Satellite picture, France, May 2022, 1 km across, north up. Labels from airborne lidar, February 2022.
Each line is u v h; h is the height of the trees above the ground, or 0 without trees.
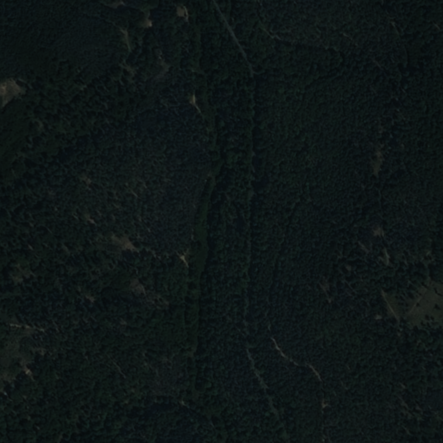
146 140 30
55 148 13
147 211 35
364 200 16
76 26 19
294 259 27
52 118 43
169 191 29
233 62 33
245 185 33
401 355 25
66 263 27
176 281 26
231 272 33
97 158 33
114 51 14
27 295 8
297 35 27
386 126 13
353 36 31
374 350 26
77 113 13
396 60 30
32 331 0
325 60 34
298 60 34
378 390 27
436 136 25
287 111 29
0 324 15
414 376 28
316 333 28
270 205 26
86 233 30
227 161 35
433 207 23
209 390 27
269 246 29
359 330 30
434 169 26
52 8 14
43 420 37
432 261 26
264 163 32
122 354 24
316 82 33
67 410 36
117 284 7
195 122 37
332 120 27
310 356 27
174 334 22
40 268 20
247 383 30
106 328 30
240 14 31
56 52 15
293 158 33
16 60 19
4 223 13
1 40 17
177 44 13
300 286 27
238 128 37
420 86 33
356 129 34
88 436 35
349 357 31
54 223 32
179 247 25
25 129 14
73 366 28
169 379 28
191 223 23
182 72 18
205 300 15
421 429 33
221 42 30
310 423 29
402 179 23
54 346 27
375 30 28
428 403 22
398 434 22
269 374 25
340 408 25
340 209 32
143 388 26
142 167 31
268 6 32
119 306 29
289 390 30
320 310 27
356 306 8
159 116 16
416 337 32
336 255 29
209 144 24
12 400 34
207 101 0
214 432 24
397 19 25
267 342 23
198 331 14
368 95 28
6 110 10
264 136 30
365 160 30
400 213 22
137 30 21
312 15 30
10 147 11
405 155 29
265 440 25
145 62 24
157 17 28
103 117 35
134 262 35
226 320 23
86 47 17
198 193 21
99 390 29
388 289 25
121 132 31
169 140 26
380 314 12
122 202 31
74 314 36
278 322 25
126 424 36
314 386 30
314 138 24
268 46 30
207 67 20
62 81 15
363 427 27
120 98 12
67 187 30
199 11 22
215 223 25
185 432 27
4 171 14
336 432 26
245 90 29
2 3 14
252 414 29
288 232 28
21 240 36
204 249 0
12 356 0
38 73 17
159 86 18
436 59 31
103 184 28
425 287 31
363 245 20
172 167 24
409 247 23
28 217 31
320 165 27
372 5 30
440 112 27
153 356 28
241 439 31
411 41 33
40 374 35
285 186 33
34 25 21
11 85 0
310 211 28
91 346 29
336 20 30
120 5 0
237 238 32
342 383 27
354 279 28
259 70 32
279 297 24
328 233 30
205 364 36
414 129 33
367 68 28
